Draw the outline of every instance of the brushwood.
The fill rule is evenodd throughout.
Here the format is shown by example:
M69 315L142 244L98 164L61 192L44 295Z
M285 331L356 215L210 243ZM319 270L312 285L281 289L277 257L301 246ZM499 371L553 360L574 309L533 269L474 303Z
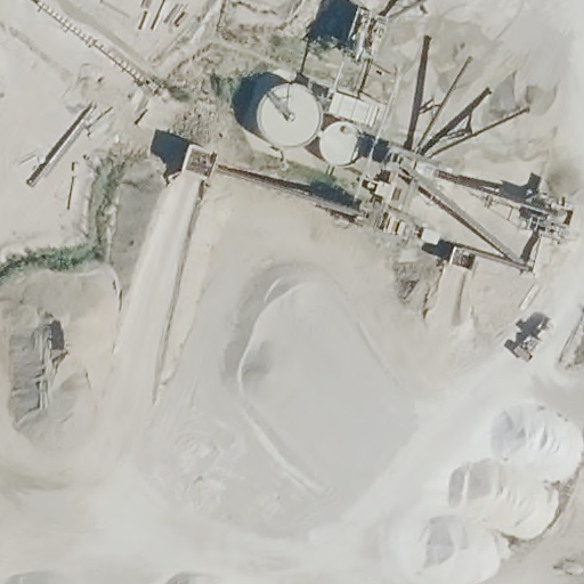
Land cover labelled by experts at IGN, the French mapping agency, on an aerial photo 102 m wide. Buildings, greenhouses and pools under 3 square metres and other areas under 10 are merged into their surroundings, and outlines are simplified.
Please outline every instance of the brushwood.
M84 262L100 262L105 256L105 230L110 224L107 208L112 205L119 180L123 178L125 169L132 169L135 164L153 155L153 146L148 144L141 151L132 151L128 155L116 155L107 151L107 157L98 162L89 189L89 226L82 244L68 249L32 251L27 256L11 256L0 267L0 283L9 274L27 267L68 271Z

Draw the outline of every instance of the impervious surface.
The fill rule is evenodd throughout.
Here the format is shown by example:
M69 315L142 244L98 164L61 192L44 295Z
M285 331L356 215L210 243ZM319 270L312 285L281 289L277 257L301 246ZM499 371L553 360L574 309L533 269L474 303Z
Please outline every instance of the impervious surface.
M360 198L360 208L351 210L351 217L356 217L351 226L370 226L383 230L388 226L390 214L402 217L404 210L388 203L390 198L402 198L397 183L411 183L413 173L417 173L422 155L406 151L402 141L386 141L372 135L363 132L356 144L358 153L351 155L349 162L333 167L319 148L319 137L313 137L306 144L306 148L297 148L294 144L274 144L274 139L269 139L258 125L258 105L274 87L301 84L313 96L329 94L326 87L308 80L306 75L294 75L285 64L276 73L251 73L242 78L240 89L233 96L233 114L235 121L251 132L249 146L256 153L287 157L315 171L333 173L335 187L342 187L354 198Z

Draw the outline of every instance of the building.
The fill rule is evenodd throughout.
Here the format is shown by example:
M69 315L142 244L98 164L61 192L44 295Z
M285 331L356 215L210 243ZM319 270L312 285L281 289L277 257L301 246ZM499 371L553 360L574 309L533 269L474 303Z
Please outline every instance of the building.
M329 94L313 96L301 84L274 87L258 105L258 125L269 139L274 139L274 144L294 144L297 148L306 148L306 144L313 137L319 137L319 148L333 167L349 162L351 155L358 153L356 144L363 132L372 135L379 130L381 114L386 114L383 103L347 96L331 98Z
M183 157L183 171L212 176L212 164L217 155L203 153L203 144L189 144Z

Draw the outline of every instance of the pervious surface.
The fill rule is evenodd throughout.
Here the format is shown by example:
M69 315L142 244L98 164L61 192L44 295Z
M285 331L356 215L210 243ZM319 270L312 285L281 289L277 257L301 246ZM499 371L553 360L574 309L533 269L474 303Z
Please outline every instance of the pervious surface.
M422 155L417 173L413 173L411 183L397 183L402 198L390 198L388 203L404 210L402 217L390 214L388 226L383 230L370 226L351 226L356 217L351 217L351 210L360 208L360 198L354 198L342 187L335 187L333 173L315 171L287 157L256 153L249 146L251 132L235 121L233 114L233 96L240 89L242 78L251 73L276 73L285 64L294 75L306 75L308 80L326 87L329 94L331 98L347 96L383 103L386 114L381 114L379 130L372 135L386 141L402 141L406 151ZM135 164L132 169L125 169L123 178L119 180L112 205L107 208L110 224L105 230L105 256L100 262L84 262L68 271L27 267L9 274L0 283L0 584L584 584L584 0L0 0L0 267L11 256L27 256L32 251L68 249L82 244L89 226L89 189L98 162L107 157L107 151L116 155L128 155L132 151L141 151L148 144L153 146L153 155ZM183 171L183 157L189 144L203 144L203 153L217 155L212 164L212 176Z

